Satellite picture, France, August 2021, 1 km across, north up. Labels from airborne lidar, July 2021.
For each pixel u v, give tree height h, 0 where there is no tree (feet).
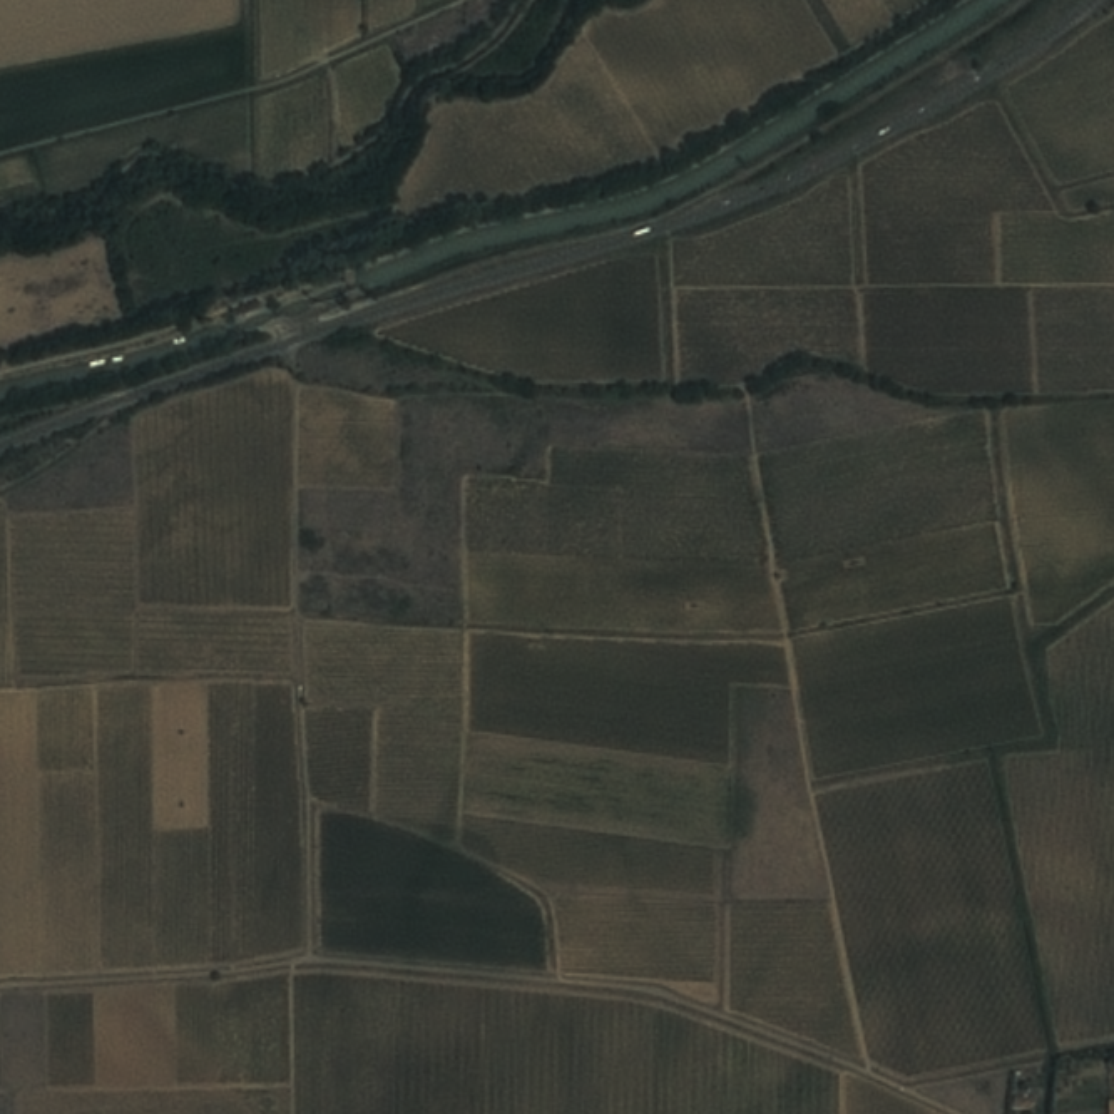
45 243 60
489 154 0
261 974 0
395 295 0
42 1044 0
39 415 23
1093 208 41
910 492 0
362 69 0
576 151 0
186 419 0
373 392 21
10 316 0
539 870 0
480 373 24
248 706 0
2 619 0
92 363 0
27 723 0
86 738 0
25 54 0
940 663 0
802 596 0
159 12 0
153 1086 0
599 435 0
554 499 0
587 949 0
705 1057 0
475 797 0
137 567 0
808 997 0
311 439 0
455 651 0
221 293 37
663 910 0
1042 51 0
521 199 32
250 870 0
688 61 0
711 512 0
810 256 0
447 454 0
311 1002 0
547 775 0
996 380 0
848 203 0
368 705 0
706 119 0
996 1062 0
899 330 0
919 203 0
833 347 0
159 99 0
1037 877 0
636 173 49
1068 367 0
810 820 0
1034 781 0
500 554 0
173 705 0
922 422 0
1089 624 0
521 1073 0
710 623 0
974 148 0
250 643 0
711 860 0
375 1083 0
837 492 0
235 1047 0
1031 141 0
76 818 0
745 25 0
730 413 0
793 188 0
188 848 0
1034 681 0
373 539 0
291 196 55
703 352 0
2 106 0
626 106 0
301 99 0
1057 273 0
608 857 0
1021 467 0
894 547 0
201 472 0
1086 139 0
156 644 0
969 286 0
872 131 0
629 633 0
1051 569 0
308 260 79
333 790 0
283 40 0
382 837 0
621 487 0
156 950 0
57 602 0
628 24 0
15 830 0
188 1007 0
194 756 0
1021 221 0
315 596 0
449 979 0
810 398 0
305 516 0
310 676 0
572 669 0
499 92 32
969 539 0
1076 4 0
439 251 0
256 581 0
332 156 0
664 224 0
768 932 0
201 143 0
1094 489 0
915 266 0
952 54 0
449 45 21
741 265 0
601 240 0
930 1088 0
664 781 0
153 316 54
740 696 0
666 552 0
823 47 0
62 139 20
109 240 41
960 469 0
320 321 0
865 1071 0
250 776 0
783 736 0
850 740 0
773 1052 0
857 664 0
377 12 0
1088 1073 0
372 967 0
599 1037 0
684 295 0
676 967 0
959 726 0
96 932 0
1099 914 0
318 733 0
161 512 0
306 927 0
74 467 0
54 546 0
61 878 0
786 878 0
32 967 0
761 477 0
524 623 0
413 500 0
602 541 0
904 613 0
